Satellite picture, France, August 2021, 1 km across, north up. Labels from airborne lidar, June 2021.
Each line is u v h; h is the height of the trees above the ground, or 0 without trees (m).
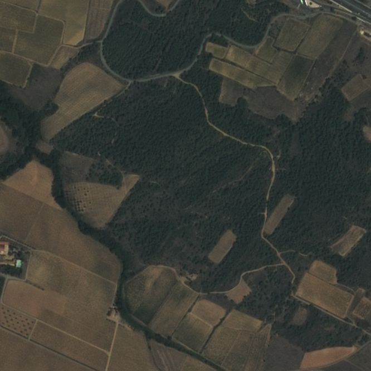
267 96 0
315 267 0
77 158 0
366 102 0
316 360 0
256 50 0
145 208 6
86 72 0
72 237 0
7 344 0
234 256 6
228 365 0
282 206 0
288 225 5
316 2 0
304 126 7
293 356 0
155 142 6
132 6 0
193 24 8
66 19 0
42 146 0
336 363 0
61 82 0
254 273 0
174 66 12
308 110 8
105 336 0
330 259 10
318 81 0
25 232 0
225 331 0
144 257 8
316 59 0
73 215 11
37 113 9
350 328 0
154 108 6
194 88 6
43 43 0
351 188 8
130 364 0
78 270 0
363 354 0
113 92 0
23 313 0
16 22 0
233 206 6
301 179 11
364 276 0
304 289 0
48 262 0
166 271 0
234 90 0
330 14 0
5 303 0
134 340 0
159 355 0
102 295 0
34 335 0
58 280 0
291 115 0
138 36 11
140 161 7
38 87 0
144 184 6
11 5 0
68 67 0
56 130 0
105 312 0
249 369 0
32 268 0
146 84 8
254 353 0
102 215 0
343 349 0
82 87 0
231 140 9
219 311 0
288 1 0
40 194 0
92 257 0
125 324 0
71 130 6
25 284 0
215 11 7
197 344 0
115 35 9
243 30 7
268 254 10
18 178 0
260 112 0
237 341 0
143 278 0
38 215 0
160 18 10
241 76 0
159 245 6
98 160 0
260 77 0
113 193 0
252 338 0
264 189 0
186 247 0
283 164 8
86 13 0
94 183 0
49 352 0
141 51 10
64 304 0
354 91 0
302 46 0
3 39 0
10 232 0
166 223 8
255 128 7
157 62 10
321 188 9
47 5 0
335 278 0
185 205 0
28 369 0
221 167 11
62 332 0
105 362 0
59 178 7
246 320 0
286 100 0
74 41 0
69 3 0
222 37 8
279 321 0
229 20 12
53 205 0
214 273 6
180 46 9
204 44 5
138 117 8
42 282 0
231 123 7
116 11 0
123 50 8
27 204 0
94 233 6
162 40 9
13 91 0
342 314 0
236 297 0
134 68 9
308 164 9
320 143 7
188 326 0
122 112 9
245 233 6
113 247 6
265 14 10
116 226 8
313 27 0
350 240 0
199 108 6
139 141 9
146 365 0
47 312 0
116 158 15
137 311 0
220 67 0
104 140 6
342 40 0
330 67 0
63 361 0
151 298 0
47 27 0
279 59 0
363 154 6
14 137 9
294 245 7
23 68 0
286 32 0
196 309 0
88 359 0
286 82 0
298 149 0
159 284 0
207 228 8
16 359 0
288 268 0
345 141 8
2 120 8
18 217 0
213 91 8
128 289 0
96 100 0
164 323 0
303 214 8
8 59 0
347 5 0
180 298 0
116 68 9
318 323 0
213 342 0
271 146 8
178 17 7
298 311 0
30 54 0
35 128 15
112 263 0
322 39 0
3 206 0
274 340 0
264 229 0
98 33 0
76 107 0
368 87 0
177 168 7
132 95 0
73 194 0
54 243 0
